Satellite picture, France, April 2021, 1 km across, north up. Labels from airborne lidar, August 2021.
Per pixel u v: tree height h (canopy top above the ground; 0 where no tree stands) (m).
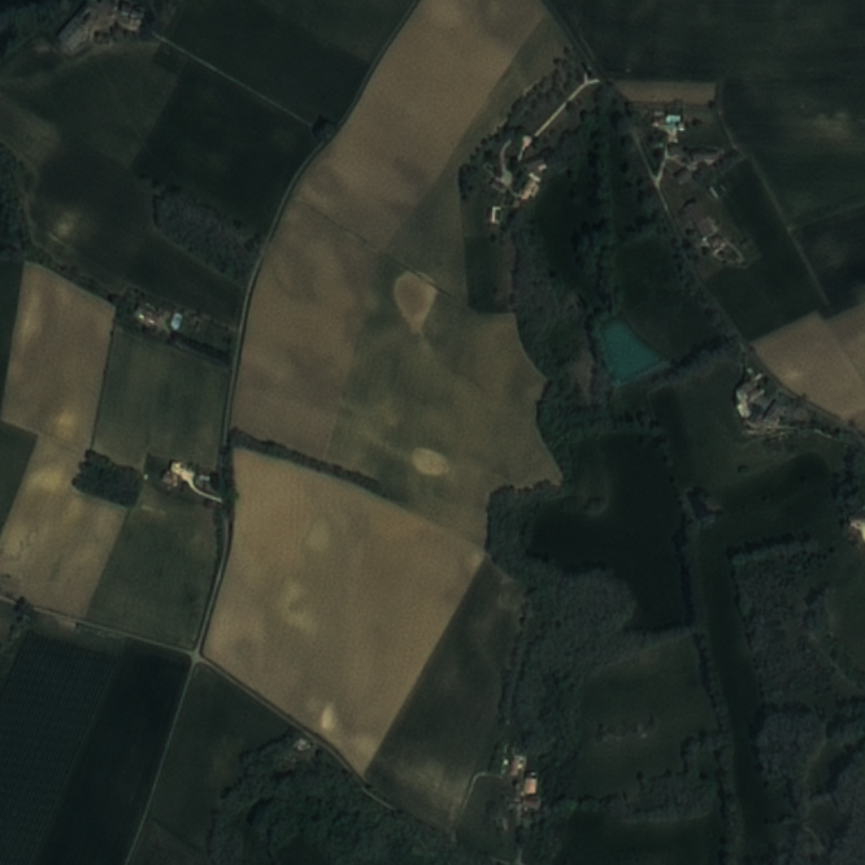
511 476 0
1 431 0
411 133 0
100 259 0
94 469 12
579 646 22
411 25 0
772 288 0
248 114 0
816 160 0
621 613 17
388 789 0
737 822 18
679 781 11
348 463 0
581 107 8
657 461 0
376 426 0
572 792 10
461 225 0
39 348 0
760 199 0
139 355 0
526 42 0
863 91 0
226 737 0
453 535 0
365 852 22
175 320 0
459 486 0
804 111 0
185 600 0
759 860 0
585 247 25
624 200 0
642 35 0
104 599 0
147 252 0
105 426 0
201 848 0
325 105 0
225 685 0
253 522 0
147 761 0
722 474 0
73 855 0
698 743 12
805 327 0
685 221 10
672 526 0
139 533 0
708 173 16
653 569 0
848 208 0
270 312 0
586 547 0
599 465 0
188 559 0
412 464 0
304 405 0
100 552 0
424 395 0
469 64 0
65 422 0
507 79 0
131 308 13
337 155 0
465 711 0
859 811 19
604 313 11
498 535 15
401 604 0
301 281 0
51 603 0
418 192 0
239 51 0
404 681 0
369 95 0
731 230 0
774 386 6
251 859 0
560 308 18
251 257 15
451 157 0
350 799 19
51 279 0
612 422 16
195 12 0
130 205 0
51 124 0
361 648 0
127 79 0
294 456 12
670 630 15
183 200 20
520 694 13
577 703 14
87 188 0
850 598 0
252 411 0
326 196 0
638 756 0
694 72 0
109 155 0
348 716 0
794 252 0
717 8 0
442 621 0
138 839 0
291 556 0
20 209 17
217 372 0
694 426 0
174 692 0
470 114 0
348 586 0
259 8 0
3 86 0
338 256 0
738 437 0
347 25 0
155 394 0
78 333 0
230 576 0
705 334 0
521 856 0
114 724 0
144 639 0
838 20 0
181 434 0
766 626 10
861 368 0
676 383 18
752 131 0
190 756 0
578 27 0
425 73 0
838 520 0
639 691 0
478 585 0
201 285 0
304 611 0
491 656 0
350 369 0
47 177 0
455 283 0
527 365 0
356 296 0
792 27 0
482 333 0
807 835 19
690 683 0
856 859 22
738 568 9
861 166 0
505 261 0
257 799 18
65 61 0
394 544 0
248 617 0
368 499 0
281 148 0
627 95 0
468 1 0
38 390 0
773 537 0
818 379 0
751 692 0
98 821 0
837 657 13
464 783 0
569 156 19
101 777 0
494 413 0
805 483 11
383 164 0
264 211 0
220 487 19
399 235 0
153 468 0
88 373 0
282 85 0
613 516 0
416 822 13
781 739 26
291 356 0
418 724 0
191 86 0
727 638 0
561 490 10
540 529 0
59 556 0
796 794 21
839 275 0
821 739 23
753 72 0
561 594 23
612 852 0
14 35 16
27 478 0
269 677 0
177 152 0
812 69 0
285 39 0
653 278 0
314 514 0
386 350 0
